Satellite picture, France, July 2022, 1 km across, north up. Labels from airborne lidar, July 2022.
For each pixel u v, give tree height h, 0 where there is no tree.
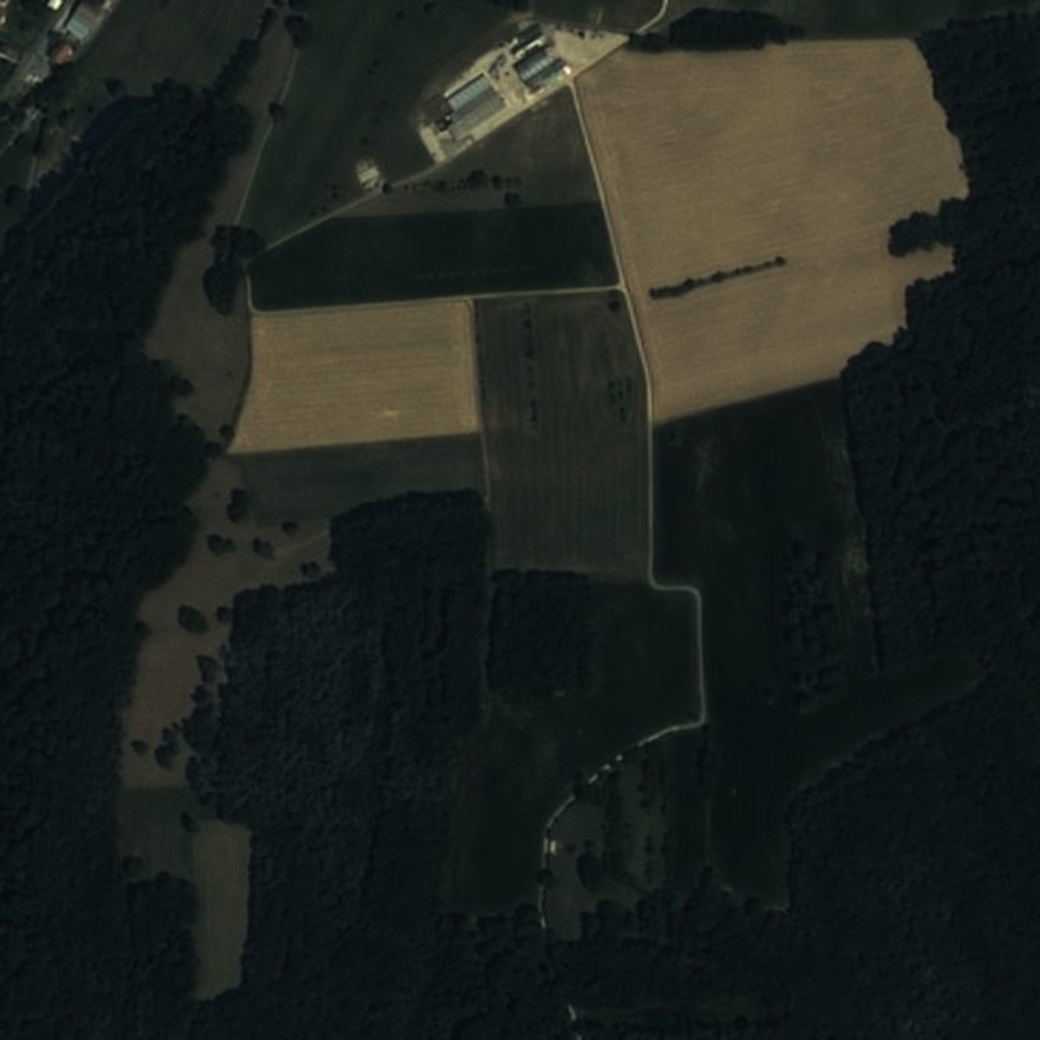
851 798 21
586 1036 20
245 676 27
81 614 24
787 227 0
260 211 0
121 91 19
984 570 28
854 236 0
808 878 22
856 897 21
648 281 0
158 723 0
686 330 0
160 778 0
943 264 0
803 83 0
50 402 27
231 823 9
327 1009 20
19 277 29
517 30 0
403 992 24
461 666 21
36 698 30
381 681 7
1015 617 29
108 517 22
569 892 0
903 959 15
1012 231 26
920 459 20
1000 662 22
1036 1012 17
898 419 28
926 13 0
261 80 0
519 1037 24
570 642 29
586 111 0
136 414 19
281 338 0
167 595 0
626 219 0
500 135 0
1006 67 21
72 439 29
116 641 20
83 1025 24
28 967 27
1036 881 24
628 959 25
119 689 15
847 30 0
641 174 0
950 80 23
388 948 25
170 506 19
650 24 0
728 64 0
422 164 0
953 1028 14
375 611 22
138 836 0
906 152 0
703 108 0
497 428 0
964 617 25
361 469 0
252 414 0
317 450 0
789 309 0
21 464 32
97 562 29
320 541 0
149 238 28
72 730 19
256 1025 22
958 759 23
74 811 19
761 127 0
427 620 15
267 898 17
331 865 12
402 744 21
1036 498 27
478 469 0
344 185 0
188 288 0
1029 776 24
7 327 25
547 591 26
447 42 0
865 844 23
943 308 32
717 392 0
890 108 0
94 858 23
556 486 0
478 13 0
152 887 17
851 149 0
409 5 0
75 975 24
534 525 0
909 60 0
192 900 18
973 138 8
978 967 19
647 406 0
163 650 0
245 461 0
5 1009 33
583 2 0
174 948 18
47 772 19
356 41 0
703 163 0
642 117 0
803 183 0
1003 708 22
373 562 21
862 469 26
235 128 23
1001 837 23
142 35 0
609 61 0
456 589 19
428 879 22
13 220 0
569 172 0
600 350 0
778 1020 25
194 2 0
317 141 0
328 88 0
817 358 0
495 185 11
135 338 21
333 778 19
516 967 22
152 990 24
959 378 27
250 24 0
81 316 32
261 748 27
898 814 22
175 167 25
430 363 0
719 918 20
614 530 0
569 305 0
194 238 15
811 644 25
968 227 22
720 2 0
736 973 24
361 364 0
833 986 19
